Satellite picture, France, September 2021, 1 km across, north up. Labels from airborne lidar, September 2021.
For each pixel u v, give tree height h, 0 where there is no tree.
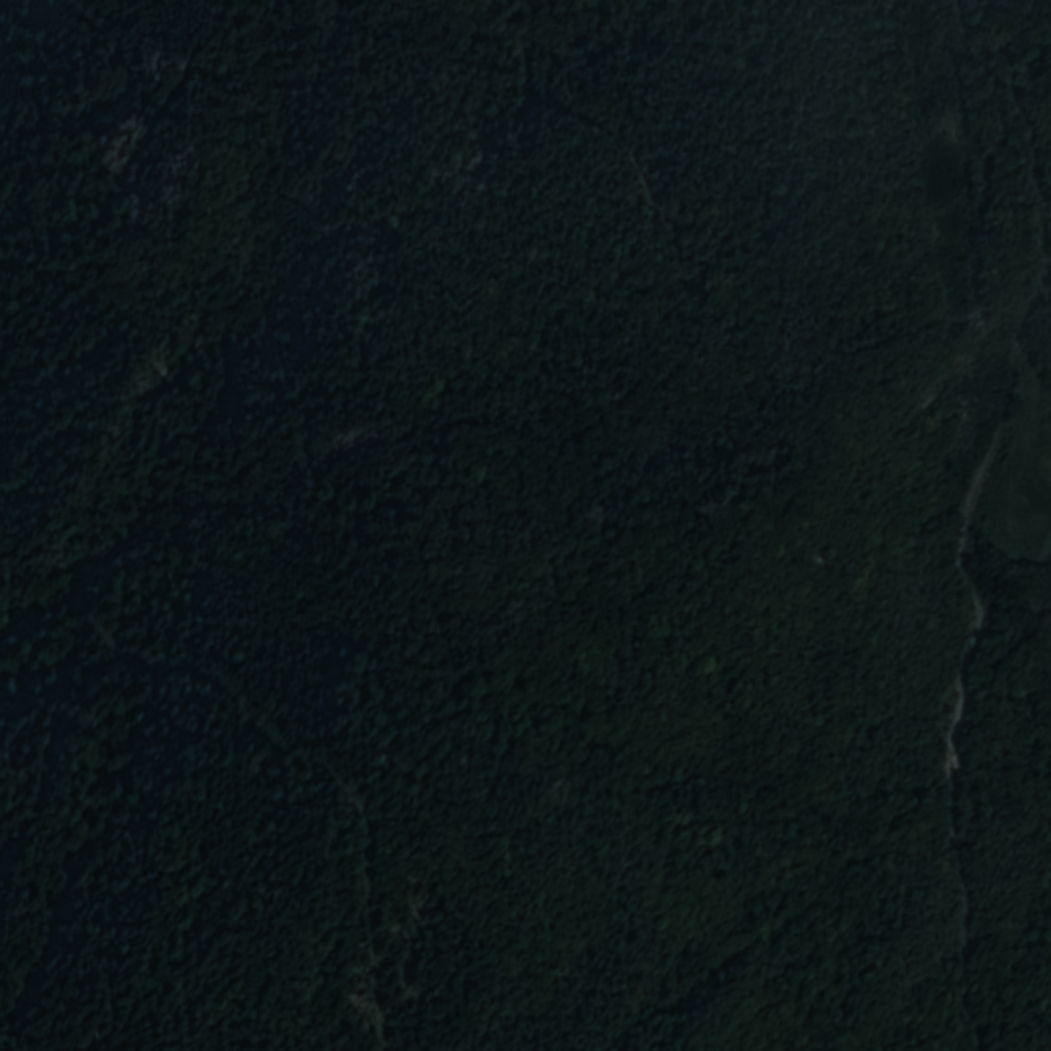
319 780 11
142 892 15
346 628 16
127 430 22
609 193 17
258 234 30
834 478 21
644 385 18
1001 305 10
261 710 18
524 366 19
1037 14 15
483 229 18
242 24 25
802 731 31
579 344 28
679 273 20
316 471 19
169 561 35
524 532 13
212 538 23
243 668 17
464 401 21
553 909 17
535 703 21
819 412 20
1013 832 15
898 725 19
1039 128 18
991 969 24
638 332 22
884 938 22
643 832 15
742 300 21
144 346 18
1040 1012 31
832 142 16
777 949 18
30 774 31
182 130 21
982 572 18
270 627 18
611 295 25
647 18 22
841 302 20
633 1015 18
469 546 20
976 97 17
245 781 15
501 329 15
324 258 34
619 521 24
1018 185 18
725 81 18
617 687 18
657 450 20
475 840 19
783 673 15
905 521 28
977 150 9
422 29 25
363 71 18
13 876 21
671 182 21
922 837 20
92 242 26
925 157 7
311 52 22
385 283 20
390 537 19
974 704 24
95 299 26
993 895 17
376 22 21
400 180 22
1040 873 13
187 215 23
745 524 15
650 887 16
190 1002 14
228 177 28
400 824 23
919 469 19
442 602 25
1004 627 16
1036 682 21
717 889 18
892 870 22
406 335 13
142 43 30
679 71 17
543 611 25
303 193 20
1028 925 17
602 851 19
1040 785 28
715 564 18
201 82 19
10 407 27
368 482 21
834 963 18
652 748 25
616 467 29
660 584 24
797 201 18
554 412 18
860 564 24
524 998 12
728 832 24
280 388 18
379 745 29
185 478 26
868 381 20
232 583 18
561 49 25
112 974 13
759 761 27
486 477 23
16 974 29
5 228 18
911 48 7
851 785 18
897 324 28
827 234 17
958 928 10
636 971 15
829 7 19
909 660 19
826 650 23
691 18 24
